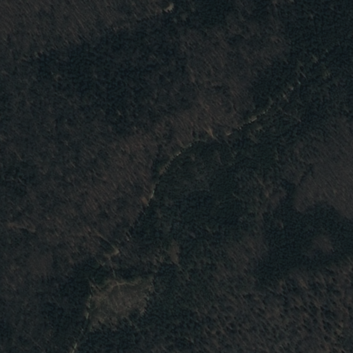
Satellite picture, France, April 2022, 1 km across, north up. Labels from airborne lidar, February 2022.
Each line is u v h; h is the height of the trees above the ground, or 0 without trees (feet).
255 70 84
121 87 81
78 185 81
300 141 72
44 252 78
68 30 89
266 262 90
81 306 58
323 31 18
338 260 106
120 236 94
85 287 34
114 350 71
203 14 95
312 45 83
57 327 73
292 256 96
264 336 90
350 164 80
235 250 89
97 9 94
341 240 97
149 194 72
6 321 89
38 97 88
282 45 86
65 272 78
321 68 82
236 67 83
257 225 95
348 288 66
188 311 55
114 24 86
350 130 74
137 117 38
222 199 49
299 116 32
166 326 108
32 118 93
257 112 37
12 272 86
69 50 82
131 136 73
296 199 72
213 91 82
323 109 78
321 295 87
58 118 87
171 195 41
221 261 94
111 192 89
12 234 93
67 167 89
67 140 87
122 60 81
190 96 88
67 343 75
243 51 81
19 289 87
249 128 44
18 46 82
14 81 86
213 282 94
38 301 85
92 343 66
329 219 94
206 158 65
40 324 84
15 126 97
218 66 76
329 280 101
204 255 101
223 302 82
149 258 74
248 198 86
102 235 83
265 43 77
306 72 87
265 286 100
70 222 79
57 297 77
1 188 75
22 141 86
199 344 75
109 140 86
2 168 79
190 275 87
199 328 93
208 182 28
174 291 90
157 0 84
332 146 82
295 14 60
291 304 94
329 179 79
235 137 84
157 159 70
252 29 86
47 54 72
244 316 89
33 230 64
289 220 85
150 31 89
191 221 28
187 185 20
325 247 77
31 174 92
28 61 77
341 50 90
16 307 81
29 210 81
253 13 78
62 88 83
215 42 85
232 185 37
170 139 37
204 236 54
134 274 115
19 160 83
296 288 87
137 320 93
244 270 72
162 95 90
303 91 81
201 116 92
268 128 26
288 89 73
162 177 44
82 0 85
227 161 72
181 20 86
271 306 93
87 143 87
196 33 81
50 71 81
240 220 74
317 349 94
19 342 77
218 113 88
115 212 84
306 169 96
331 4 85
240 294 78
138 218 90
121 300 0
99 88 77
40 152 78
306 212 80
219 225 90
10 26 84
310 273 92
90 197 85
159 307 80
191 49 85
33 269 85
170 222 50
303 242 95
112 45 95
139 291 0
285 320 30
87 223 91
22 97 97
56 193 95
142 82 86
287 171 81
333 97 94
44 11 86
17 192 56
